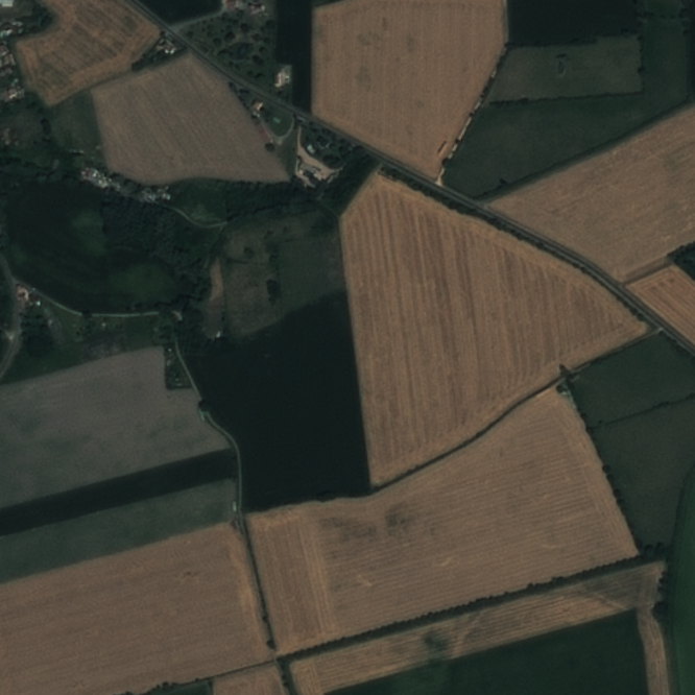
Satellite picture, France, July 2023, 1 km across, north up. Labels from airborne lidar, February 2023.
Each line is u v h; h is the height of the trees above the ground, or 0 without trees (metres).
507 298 0
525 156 0
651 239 0
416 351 0
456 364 0
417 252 0
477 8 0
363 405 0
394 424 0
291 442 0
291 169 0
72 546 0
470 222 0
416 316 0
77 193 0
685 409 0
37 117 0
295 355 0
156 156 0
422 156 0
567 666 0
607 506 0
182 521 0
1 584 0
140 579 0
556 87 0
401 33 0
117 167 0
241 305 0
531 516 0
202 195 0
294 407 0
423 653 0
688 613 0
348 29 0
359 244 0
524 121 0
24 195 0
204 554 0
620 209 0
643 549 11
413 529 0
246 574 0
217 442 0
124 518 0
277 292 16
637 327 0
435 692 0
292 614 0
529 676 0
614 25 0
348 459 0
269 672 0
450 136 0
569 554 0
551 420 0
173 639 0
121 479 0
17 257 0
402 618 0
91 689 0
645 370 0
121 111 0
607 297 0
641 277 0
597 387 0
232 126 0
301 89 0
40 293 0
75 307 0
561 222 0
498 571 0
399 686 0
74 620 0
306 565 0
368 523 0
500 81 0
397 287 0
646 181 0
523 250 0
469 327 0
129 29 0
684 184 0
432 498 0
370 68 0
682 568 0
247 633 0
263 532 0
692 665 0
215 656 0
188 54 0
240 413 0
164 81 0
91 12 0
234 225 18
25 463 0
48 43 0
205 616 0
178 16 0
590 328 0
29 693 0
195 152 0
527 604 0
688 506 0
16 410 0
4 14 0
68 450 0
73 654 0
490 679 0
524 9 0
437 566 0
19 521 0
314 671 0
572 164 0
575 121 0
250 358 0
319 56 0
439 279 0
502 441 0
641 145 0
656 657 0
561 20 0
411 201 0
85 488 0
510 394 0
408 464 0
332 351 0
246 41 0
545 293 0
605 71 0
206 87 0
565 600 0
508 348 0
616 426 0
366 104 0
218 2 0
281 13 0
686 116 0
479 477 0
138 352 0
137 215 32
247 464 0
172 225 22
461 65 0
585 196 0
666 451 0
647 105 0
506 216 0
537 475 0
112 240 26
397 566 0
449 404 0
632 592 0
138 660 0
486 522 0
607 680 0
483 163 0
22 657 0
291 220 0
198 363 0
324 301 0
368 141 0
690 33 9
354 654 0
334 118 0
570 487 0
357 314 0
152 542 0
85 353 0
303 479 0
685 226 0
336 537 0
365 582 0
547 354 0
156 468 0
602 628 0
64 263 0
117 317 0
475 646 0
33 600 0
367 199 0
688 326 0
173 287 0
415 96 0
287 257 0
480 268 0
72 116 0
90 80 0
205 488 0
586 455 0
